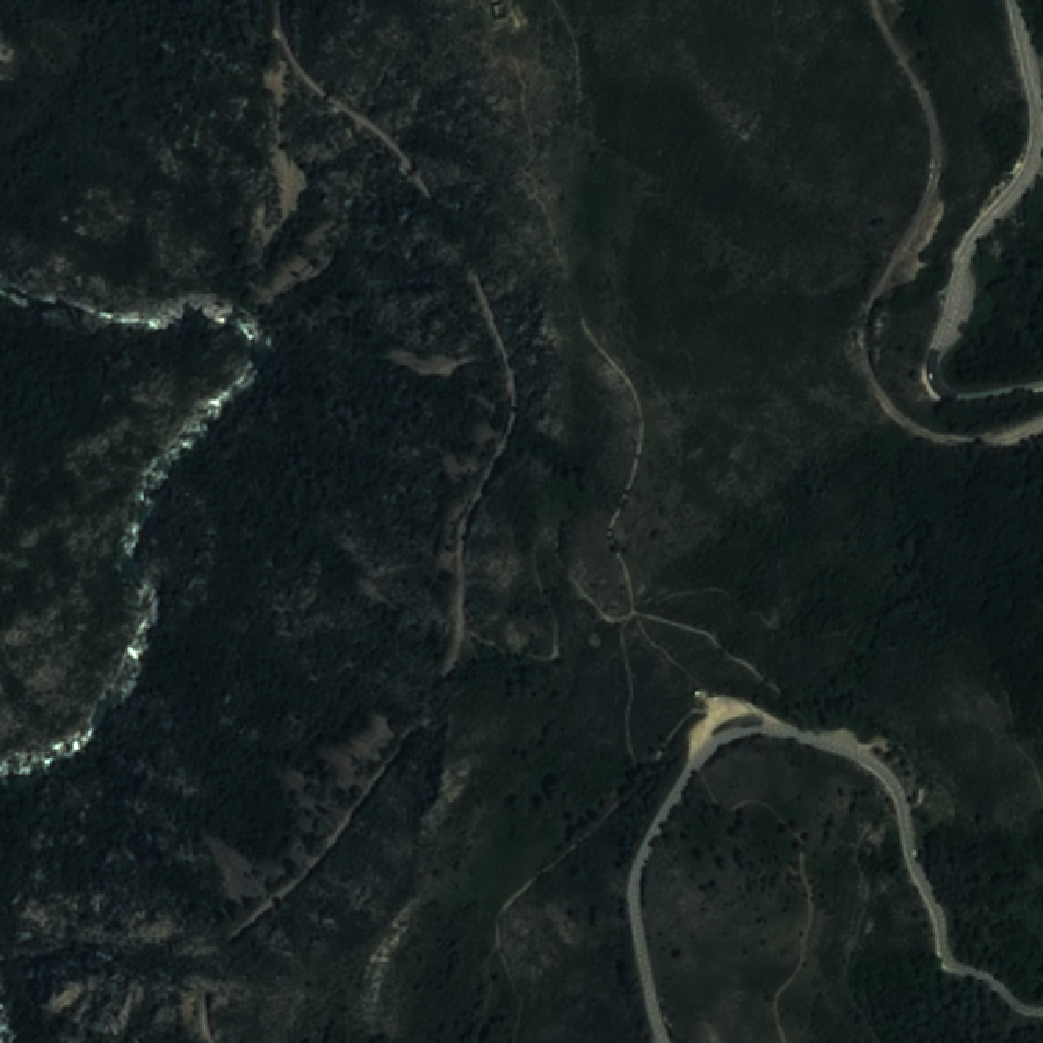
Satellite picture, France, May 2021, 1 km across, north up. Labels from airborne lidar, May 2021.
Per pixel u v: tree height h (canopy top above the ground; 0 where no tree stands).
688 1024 0
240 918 18
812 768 0
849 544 17
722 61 0
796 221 6
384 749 9
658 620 0
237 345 8
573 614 0
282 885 6
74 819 8
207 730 12
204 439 8
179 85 19
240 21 12
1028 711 8
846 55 0
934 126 0
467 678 8
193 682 10
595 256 0
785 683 7
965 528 8
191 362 5
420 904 0
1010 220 7
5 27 8
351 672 8
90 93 6
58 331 10
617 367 0
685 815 15
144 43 6
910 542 21
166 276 9
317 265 16
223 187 7
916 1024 14
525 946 0
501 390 6
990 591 10
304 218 14
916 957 13
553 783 20
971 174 0
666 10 0
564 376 0
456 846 0
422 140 7
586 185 0
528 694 22
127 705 7
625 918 12
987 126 11
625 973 16
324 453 7
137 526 0
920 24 10
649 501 0
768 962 0
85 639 8
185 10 17
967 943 16
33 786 8
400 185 8
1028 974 16
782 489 6
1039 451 10
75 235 6
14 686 10
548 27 6
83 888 10
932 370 0
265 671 9
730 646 7
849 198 0
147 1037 7
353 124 8
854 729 0
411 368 9
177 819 9
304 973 0
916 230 0
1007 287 16
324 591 6
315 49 8
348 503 6
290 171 0
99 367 8
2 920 7
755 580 7
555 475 6
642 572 0
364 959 0
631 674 0
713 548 7
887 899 7
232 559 8
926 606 25
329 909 7
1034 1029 15
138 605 8
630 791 16
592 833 19
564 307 0
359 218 11
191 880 11
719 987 0
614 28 0
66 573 7
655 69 0
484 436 0
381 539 6
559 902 0
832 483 6
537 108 0
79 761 13
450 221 8
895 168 0
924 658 6
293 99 8
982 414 9
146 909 6
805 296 5
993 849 13
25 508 7
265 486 8
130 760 5
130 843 11
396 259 12
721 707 0
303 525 6
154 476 0
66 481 10
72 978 7
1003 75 0
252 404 7
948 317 0
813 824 0
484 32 0
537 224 0
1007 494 6
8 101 6
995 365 19
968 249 0
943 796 0
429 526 5
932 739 6
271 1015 0
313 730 10
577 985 0
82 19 8
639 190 0
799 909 0
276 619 8
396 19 0
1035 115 0
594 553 0
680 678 0
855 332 7
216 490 15
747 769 0
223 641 8
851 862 7
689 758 0
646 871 9
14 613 7
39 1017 11
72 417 16
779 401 0
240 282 7
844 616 7
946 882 22
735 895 0
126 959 7
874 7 0
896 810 11
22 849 13
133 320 0
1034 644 16
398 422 10
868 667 9
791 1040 0
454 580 15
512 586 0
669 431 0
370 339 17
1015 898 12
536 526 0
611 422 0
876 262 7
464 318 6
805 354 0
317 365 6
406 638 8
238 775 7
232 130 8
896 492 13
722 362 0
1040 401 6
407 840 0
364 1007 0
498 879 0
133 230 9
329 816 18
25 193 7
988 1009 18
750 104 0
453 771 0
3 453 10
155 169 7
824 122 0
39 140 17
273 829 10
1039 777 0
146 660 11
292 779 0
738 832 15
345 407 21
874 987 8
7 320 7
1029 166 0
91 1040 7
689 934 0
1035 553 9
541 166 0
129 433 12
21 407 13
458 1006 5
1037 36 10
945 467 7
